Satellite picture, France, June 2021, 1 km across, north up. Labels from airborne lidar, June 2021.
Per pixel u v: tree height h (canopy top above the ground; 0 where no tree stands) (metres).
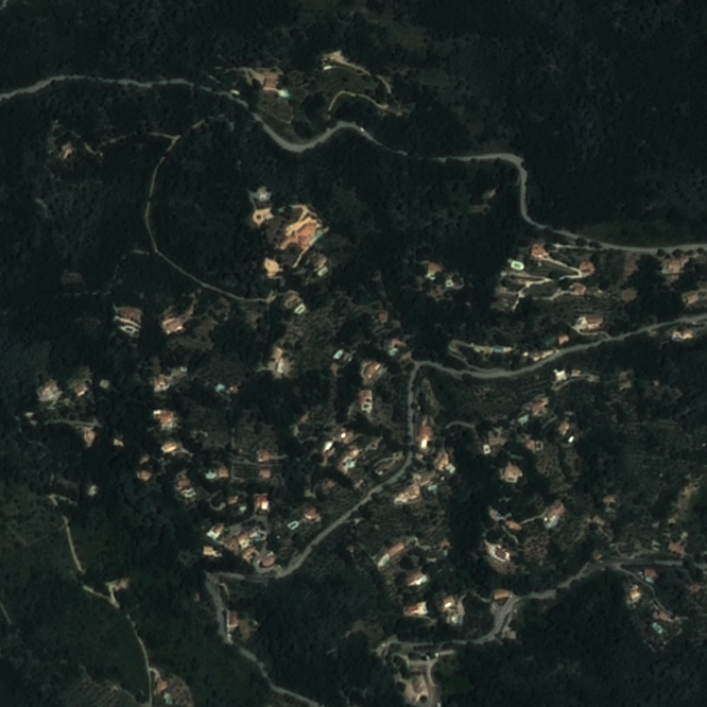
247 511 9
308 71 11
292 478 19
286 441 8
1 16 12
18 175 11
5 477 9
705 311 6
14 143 9
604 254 11
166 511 22
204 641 8
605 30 12
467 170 6
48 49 11
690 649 15
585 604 17
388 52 9
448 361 14
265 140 8
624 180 12
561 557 12
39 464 16
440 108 11
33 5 7
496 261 13
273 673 11
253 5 13
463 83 13
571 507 10
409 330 17
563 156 14
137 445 14
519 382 6
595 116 18
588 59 18
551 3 12
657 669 18
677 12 9
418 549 13
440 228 16
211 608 8
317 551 6
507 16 10
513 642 10
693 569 19
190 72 14
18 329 11
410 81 18
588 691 11
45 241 13
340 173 12
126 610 17
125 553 11
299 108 6
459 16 14
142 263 8
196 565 13
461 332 18
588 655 19
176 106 13
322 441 9
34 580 10
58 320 11
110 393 10
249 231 9
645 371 19
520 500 10
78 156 8
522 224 7
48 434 11
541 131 13
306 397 10
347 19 13
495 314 9
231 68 10
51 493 11
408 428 7
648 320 8
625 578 5
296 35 12
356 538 9
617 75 13
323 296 10
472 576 12
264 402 11
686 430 16
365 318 16
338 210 9
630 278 10
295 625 14
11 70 13
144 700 9
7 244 15
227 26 12
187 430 11
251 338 10
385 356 6
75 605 6
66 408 6
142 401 13
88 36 13
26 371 19
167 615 15
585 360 7
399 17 10
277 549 8
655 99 14
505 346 9
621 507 8
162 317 7
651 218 15
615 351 12
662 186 13
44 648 10
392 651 11
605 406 10
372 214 7
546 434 7
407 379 7
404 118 9
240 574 7
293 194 17
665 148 15
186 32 11
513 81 14
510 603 0
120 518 12
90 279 11
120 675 14
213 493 12
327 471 12
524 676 15
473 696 16
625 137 14
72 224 8
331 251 7
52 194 18
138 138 11
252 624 6
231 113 13
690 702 17
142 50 12
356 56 11
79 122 12
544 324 12
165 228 10
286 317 10
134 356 18
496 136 14
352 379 16
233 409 10
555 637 18
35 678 11
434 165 13
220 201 6
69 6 10
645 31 14
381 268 11
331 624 18
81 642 7
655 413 8
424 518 7
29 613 14
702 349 14
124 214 9
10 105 10
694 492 0
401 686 15
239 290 8
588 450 10
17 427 21
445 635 11
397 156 12
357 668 14
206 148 11
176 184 9
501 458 12
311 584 11
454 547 17
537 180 11
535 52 10
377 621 7
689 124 12
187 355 9
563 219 12
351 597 20
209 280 9
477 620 6
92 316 8
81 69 10
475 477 15
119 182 14
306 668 13
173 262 9
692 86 12
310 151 10
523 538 14
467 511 20
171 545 9
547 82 17
